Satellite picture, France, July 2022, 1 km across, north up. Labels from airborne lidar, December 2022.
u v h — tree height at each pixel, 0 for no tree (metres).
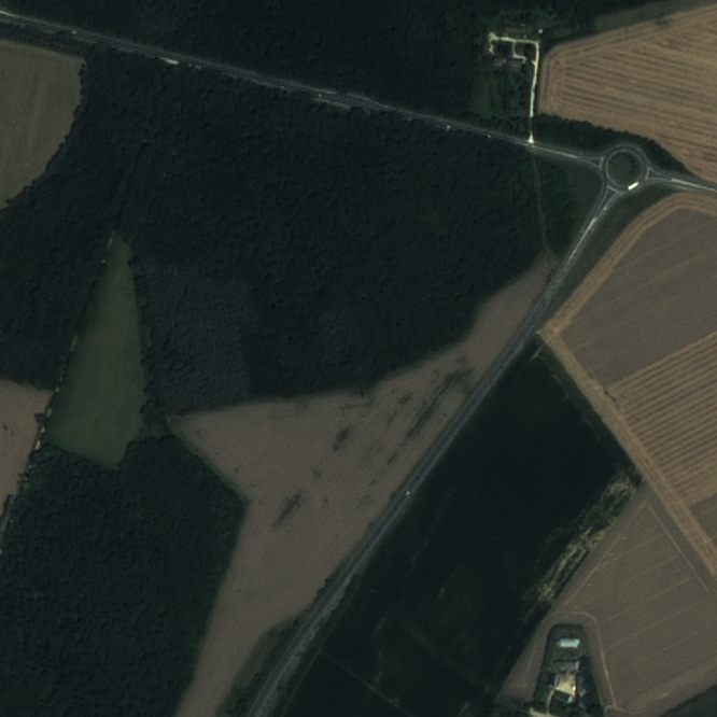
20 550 22
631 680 0
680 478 0
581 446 0
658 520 0
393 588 0
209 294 21
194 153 21
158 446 21
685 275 0
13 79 0
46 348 22
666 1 12
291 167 22
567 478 0
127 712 24
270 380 17
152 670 20
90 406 0
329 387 12
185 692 12
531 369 0
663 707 0
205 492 21
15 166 0
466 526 0
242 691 0
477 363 0
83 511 23
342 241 19
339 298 19
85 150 17
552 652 11
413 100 19
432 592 0
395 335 19
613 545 0
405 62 17
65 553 19
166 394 20
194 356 17
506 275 14
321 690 0
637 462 0
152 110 8
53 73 0
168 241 21
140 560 20
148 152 22
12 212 12
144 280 19
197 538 19
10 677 23
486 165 15
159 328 18
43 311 24
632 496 0
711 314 0
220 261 11
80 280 22
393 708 0
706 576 0
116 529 20
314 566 0
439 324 17
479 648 0
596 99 0
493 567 0
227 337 25
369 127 22
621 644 0
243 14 24
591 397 0
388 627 0
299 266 19
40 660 24
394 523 0
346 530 0
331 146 21
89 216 17
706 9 0
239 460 0
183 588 19
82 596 23
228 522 18
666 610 0
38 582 21
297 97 19
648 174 0
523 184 7
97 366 0
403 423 0
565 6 18
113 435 0
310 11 22
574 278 0
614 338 0
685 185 0
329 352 23
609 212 0
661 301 0
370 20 19
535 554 0
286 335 16
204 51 20
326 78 15
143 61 22
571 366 0
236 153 20
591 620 0
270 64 19
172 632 19
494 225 16
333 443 0
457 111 12
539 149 0
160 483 19
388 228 15
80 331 15
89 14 13
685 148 0
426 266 16
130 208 24
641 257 0
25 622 19
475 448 0
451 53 16
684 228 0
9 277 10
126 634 20
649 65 0
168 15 18
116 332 0
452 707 0
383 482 0
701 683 0
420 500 0
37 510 18
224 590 0
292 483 0
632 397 0
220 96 24
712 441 0
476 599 0
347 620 0
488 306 0
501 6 18
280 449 0
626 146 0
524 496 0
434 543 0
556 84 0
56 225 16
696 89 0
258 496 0
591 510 0
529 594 0
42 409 0
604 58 0
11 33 11
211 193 18
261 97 22
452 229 8
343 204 16
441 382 0
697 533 0
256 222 18
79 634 24
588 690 12
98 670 19
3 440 0
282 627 0
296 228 18
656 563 0
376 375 14
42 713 24
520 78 6
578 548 0
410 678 0
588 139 9
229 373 23
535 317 0
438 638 0
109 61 21
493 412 0
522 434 0
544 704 10
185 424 0
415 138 17
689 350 0
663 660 0
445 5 16
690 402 0
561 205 7
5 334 19
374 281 20
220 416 0
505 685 0
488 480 0
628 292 0
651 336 0
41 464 16
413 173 19
